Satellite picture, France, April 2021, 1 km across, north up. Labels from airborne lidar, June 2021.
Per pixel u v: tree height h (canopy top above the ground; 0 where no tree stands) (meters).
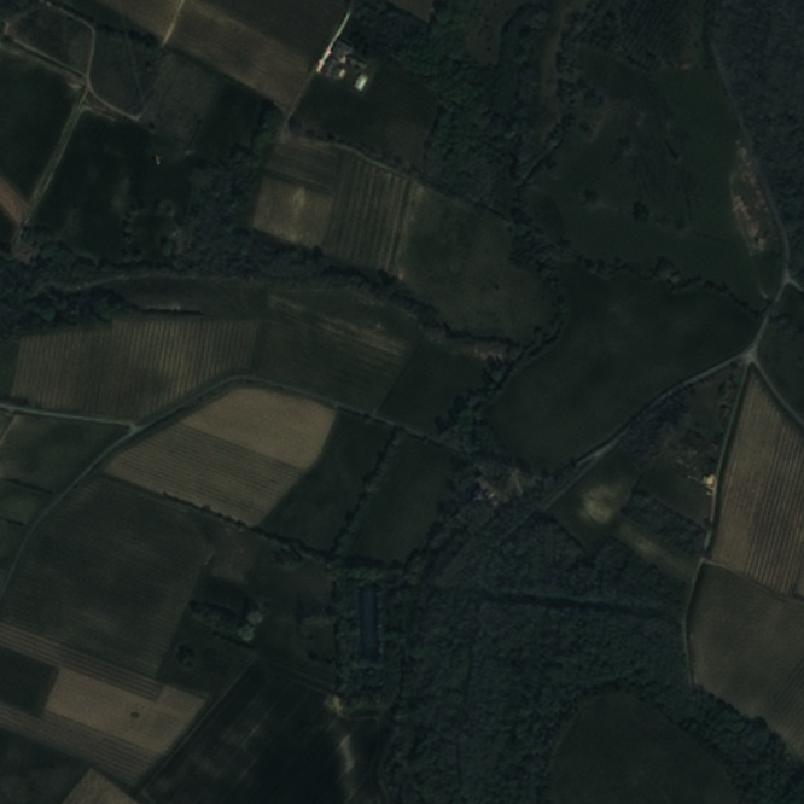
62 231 0
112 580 0
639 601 24
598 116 19
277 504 0
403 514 0
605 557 14
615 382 0
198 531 0
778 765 10
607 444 0
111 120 0
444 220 0
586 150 0
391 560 0
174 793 0
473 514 30
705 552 13
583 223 0
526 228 28
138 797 0
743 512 0
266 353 0
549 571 21
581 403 0
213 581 0
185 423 0
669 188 0
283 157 0
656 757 0
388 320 0
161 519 0
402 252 0
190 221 25
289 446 0
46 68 0
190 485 0
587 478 0
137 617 0
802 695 0
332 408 0
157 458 0
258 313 0
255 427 0
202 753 0
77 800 0
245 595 0
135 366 0
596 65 0
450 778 19
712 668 0
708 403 0
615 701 0
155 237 0
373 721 0
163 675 0
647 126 0
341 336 0
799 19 14
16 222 0
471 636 13
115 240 0
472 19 13
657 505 10
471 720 15
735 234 0
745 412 0
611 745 0
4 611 0
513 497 22
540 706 20
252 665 0
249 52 0
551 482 17
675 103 0
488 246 0
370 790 0
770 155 9
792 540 0
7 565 0
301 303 0
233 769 0
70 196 0
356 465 0
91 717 0
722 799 0
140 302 0
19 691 0
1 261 9
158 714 0
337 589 12
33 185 0
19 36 6
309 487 0
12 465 0
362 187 0
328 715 0
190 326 0
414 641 16
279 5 0
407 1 0
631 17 18
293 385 0
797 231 12
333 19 0
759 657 0
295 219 0
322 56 0
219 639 8
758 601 0
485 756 18
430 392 0
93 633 0
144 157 0
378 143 0
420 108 0
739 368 11
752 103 17
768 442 0
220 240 20
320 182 0
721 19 16
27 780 0
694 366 0
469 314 0
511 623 22
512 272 0
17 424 0
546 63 0
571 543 23
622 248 0
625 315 0
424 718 22
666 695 14
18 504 0
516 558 15
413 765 13
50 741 0
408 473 0
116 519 0
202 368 0
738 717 17
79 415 0
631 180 0
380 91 0
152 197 0
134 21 0
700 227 0
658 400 0
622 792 0
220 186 18
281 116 18
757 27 14
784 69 12
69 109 0
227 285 0
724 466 0
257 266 16
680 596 7
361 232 0
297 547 11
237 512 0
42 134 0
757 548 0
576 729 0
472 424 25
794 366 0
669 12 28
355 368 0
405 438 9
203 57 0
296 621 0
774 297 0
